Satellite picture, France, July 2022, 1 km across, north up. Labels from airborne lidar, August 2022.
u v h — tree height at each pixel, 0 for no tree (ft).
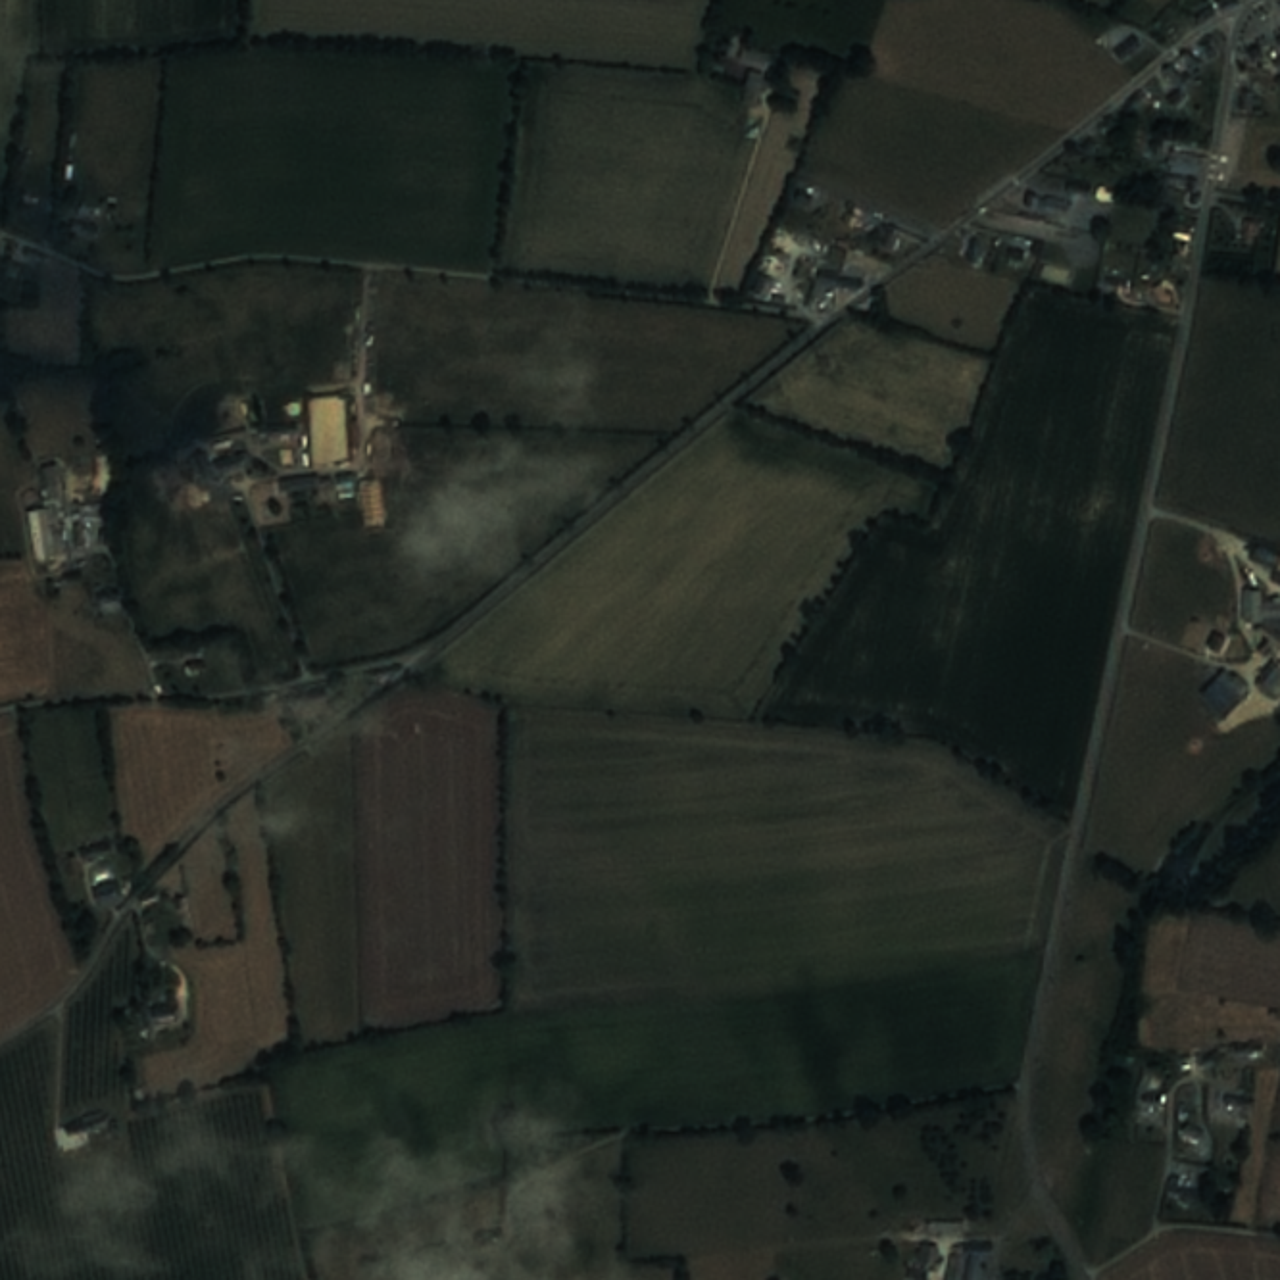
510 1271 0
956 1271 0
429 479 0
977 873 0
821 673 0
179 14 0
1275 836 59
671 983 0
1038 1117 0
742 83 27
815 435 30
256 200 0
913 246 0
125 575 21
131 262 0
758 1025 0
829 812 0
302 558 0
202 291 0
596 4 0
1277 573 0
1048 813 72
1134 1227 0
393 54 46
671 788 0
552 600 0
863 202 0
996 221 0
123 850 39
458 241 0
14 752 0
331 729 0
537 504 0
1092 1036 0
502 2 0
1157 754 0
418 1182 0
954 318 0
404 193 0
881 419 0
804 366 0
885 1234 0
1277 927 66
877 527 39
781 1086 0
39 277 0
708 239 0
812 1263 0
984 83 0
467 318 0
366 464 0
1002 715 0
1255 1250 0
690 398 0
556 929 0
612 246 0
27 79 26
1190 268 0
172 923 0
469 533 0
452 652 0
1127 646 0
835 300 0
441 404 0
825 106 41
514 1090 0
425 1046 0
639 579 0
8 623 0
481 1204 0
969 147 0
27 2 0
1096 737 0
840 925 0
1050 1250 46
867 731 41
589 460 0
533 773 0
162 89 26
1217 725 0
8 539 0
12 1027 0
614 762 0
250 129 0
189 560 0
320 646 0
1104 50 0
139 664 0
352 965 0
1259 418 0
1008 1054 0
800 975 0
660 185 0
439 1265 0
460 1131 0
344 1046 20
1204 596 0
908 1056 0
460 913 0
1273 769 29
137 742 0
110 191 0
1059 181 0
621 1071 0
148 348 0
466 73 0
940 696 0
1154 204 29
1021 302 33
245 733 0
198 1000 0
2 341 38
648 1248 0
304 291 0
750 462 0
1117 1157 0
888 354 0
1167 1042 0
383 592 0
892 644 0
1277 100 0
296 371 0
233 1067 0
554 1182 0
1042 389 0
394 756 0
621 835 0
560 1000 0
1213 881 44
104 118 0
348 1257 0
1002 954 0
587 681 0
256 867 0
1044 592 0
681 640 0
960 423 0
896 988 0
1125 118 35
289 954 25
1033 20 0
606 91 0
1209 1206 45
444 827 0
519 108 26
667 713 0
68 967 0
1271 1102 0
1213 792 0
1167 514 0
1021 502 0
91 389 0
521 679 0
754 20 0
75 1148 0
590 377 0
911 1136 0
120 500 43
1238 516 0
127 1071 37
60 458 0
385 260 0
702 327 0
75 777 0
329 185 0
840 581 31
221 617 0
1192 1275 0
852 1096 0
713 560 0
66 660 0
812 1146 0
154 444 0
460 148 0
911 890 0
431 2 0
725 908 0
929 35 0
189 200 0
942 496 26
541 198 0
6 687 0
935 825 0
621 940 0
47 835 32
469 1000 0
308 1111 0
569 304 0
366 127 0
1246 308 0
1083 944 0
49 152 0
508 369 0
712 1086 0
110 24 0
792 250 0
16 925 0
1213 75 0
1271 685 0
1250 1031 0
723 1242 0
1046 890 0
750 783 0
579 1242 0
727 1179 0
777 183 0
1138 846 0
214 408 0
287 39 43
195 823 0
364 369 0
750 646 0
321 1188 0
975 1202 18
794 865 0
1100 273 0
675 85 0
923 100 0
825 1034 0
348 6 0
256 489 0
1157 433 0
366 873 0
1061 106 0
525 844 0
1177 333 0
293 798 0
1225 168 0
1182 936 0
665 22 0
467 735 0
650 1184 0
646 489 0
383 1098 0
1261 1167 0
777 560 0
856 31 0
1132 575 0
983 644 0
